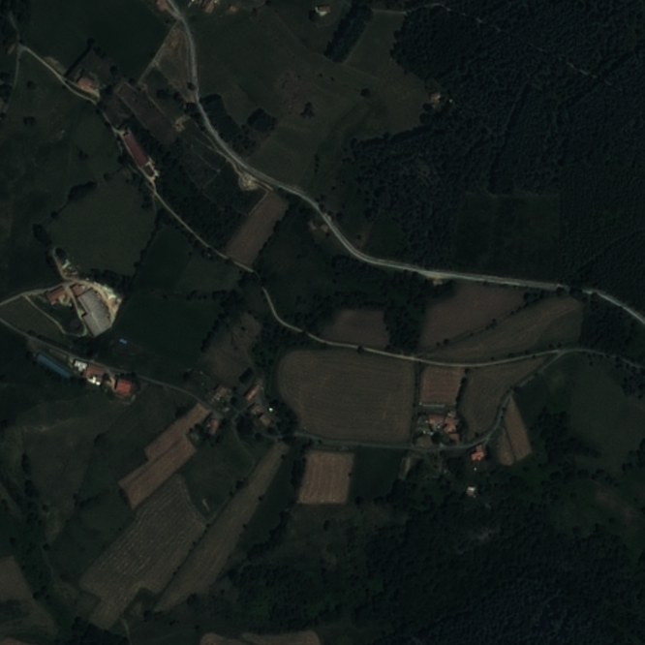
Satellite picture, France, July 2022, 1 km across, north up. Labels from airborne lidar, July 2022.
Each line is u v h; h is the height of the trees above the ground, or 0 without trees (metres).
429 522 17
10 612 0
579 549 14
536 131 18
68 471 0
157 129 0
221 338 0
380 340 0
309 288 0
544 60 22
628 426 0
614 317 13
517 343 0
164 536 0
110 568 0
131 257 0
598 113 22
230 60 0
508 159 24
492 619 23
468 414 0
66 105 0
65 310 0
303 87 0
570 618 26
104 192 0
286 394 0
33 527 6
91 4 0
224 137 14
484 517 10
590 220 6
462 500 10
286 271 0
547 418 15
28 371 0
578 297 15
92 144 0
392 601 17
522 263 0
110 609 0
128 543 0
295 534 0
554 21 19
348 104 0
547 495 7
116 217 0
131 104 0
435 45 14
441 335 0
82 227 0
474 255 0
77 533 0
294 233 0
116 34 0
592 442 0
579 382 0
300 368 0
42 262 0
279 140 0
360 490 0
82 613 0
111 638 17
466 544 9
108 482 0
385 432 0
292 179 0
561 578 19
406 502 13
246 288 12
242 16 0
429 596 20
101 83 0
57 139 0
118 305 0
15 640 0
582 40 20
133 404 0
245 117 0
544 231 0
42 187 0
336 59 19
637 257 8
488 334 0
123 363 0
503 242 0
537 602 31
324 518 0
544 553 15
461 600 18
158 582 0
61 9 0
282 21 0
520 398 0
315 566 0
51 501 0
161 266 0
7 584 0
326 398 0
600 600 23
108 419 0
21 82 0
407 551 17
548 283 0
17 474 0
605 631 21
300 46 0
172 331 0
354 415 0
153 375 0
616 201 8
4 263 0
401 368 0
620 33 16
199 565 0
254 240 0
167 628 0
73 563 0
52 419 0
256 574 9
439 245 16
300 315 9
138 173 6
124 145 7
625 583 19
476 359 0
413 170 18
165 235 0
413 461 0
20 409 0
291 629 10
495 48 20
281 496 0
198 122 14
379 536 7
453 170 11
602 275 10
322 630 0
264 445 0
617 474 0
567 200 7
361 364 0
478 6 12
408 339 7
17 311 0
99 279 15
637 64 17
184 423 0
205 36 0
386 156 11
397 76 0
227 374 0
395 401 0
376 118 0
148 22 0
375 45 0
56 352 0
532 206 0
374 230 0
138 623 0
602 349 11
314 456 0
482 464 0
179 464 0
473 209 0
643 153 19
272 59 0
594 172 10
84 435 0
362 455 0
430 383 0
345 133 0
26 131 0
